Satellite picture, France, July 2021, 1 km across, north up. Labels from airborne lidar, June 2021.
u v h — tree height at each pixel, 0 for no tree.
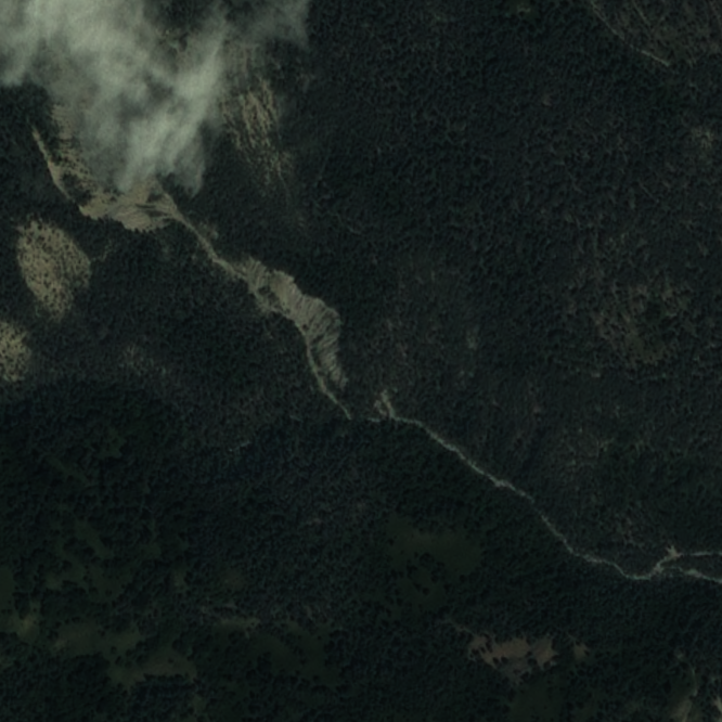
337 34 14
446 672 21
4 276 14
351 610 10
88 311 12
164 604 9
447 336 14
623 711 15
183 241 8
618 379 16
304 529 20
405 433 7
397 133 16
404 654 19
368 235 10
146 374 8
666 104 8
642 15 15
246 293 10
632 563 8
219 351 18
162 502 20
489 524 14
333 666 11
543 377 19
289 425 16
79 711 15
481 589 13
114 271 12
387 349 15
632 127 14
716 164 12
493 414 19
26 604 19
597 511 8
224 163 7
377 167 14
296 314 0
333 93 11
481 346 8
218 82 0
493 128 12
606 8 7
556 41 24
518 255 21
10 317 8
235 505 19
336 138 7
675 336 13
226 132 7
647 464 15
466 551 0
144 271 19
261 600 19
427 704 17
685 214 14
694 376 14
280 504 21
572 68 12
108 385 9
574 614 18
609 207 16
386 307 8
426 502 13
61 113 0
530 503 7
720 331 17
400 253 14
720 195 13
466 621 7
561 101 12
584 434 9
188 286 9
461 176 13
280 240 11
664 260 16
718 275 13
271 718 16
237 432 15
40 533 22
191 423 16
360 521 8
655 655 14
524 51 13
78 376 8
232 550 21
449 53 18
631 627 12
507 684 17
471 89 18
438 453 12
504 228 18
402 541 0
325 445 20
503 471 11
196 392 11
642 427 9
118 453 0
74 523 9
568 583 24
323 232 9
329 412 6
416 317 12
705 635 22
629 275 16
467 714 10
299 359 10
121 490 24
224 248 7
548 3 17
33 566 20
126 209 0
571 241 15
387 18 18
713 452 13
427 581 0
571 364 6
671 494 20
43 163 15
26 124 12
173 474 22
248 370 14
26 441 21
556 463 9
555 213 16
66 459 18
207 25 11
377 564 14
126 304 14
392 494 20
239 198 9
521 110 15
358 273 8
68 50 6
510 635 14
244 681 16
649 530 15
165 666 0
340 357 12
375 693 6
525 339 17
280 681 14
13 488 19
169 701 17
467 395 16
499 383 8
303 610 17
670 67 9
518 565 23
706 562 12
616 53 22
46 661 13
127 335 12
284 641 21
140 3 10
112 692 15
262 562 11
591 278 11
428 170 15
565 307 16
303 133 8
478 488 16
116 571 11
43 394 19
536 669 6
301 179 10
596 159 16
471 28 11
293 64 13
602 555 12
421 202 15
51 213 15
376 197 9
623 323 16
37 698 10
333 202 13
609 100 15
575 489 11
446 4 8
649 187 13
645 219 13
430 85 19
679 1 13
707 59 14
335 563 13
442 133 16
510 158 14
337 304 10
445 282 10
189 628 9
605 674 15
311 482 15
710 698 8
